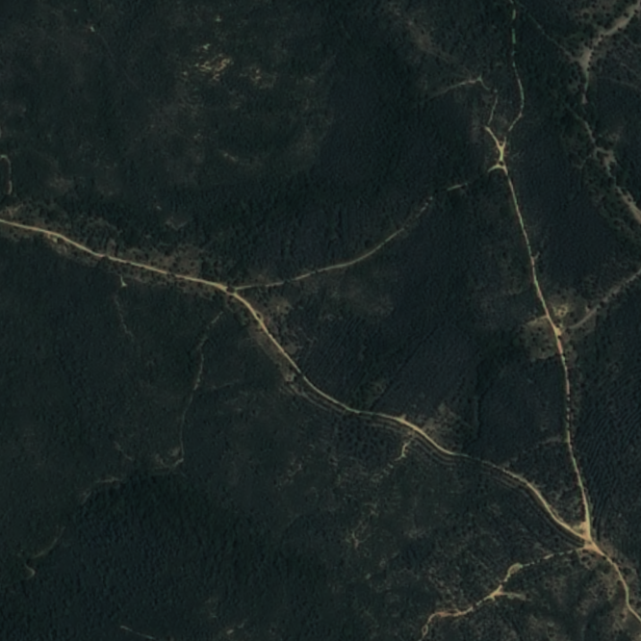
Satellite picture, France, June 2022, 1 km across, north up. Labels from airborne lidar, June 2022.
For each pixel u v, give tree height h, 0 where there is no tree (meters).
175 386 10
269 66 6
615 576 0
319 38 9
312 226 12
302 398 7
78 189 11
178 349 9
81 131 8
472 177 15
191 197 11
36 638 13
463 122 7
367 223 11
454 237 10
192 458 6
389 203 11
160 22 7
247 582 16
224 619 7
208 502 13
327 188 7
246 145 8
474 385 13
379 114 11
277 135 6
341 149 11
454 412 7
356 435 13
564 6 16
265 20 8
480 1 9
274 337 8
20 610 14
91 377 9
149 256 12
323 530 11
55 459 10
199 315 9
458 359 10
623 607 0
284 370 0
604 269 13
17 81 7
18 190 7
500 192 15
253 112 8
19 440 10
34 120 8
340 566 9
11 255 8
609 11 20
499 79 7
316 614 15
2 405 9
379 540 7
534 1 12
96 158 8
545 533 12
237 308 10
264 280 0
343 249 13
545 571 6
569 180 9
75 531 6
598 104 14
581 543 6
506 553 9
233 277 9
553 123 11
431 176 12
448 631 0
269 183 11
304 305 10
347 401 13
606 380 10
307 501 9
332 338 10
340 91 9
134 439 6
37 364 12
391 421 11
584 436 8
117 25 7
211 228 11
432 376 10
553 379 16
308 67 7
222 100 12
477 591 7
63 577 6
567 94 12
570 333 8
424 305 14
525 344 11
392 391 11
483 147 8
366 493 6
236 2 10
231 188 10
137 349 9
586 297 10
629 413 14
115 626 5
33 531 14
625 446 14
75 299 6
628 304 11
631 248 14
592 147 7
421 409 9
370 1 12
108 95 7
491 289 14
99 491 7
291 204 16
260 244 11
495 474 16
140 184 9
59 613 8
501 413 11
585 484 7
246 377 6
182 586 12
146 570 13
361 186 10
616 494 15
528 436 16
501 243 10
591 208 10
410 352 12
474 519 8
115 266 8
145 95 6
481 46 14
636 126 6
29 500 9
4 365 8
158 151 9
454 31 13
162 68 6
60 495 8
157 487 16
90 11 9
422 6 11
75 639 8
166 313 7
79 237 10
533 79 11
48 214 8
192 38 6
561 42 10
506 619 10
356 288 0
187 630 9
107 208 11
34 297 7
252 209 14
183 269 6
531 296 9
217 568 6
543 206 10
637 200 10
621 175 14
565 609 0
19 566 11
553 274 7
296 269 6
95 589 10
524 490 14
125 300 6
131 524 7
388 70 12
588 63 0
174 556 14
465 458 15
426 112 12
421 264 9
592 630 10
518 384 11
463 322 10
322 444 7
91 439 12
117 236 11
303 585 8
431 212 13
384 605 7
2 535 12
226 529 10
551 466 15
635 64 12
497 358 8
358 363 12
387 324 10
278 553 6
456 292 11
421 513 0
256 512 12
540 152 12
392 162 12
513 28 10
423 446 8
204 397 8
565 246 12
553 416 11
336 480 7
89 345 6
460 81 7
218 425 7
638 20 7
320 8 10
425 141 10
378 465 6
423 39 0
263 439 6
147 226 9
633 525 11
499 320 7
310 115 7
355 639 10
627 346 8
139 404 7
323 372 12
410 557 11
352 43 10
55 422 13
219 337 10
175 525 15
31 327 6
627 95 9
